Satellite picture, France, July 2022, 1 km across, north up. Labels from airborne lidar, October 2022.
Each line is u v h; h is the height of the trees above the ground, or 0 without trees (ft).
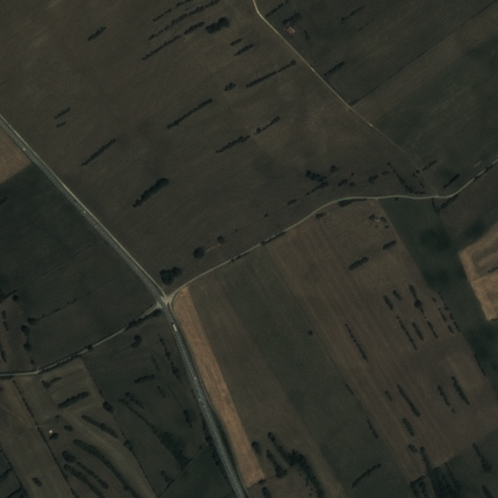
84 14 0
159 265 0
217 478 0
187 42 0
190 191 0
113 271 0
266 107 0
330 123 0
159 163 0
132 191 0
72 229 0
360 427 0
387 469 0
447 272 0
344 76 0
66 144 0
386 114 0
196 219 0
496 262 0
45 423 0
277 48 0
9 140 0
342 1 0
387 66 0
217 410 0
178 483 0
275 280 0
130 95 0
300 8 0
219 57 0
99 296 0
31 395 0
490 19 0
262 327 0
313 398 0
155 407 0
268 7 0
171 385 0
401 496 0
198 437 0
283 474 24
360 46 0
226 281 0
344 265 0
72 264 0
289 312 0
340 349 0
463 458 0
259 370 0
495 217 0
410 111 0
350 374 0
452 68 0
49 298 0
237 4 0
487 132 0
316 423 0
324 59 0
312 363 0
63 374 0
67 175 0
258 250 0
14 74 0
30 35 0
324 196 0
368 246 0
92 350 31
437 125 0
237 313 0
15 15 0
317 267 0
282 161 0
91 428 0
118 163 0
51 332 0
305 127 0
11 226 0
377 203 0
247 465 0
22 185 0
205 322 0
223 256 0
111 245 0
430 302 0
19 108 0
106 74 0
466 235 0
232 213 0
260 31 0
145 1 0
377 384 0
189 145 0
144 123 0
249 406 0
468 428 0
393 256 0
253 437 0
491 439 0
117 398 0
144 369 0
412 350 0
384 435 0
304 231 0
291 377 0
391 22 0
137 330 0
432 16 0
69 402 26
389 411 0
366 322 0
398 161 0
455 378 18
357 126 0
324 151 0
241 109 0
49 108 0
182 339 0
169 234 0
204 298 0
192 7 0
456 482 25
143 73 0
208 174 0
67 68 0
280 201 0
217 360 0
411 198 0
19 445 0
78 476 21
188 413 37
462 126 0
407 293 0
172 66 0
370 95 0
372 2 0
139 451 0
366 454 0
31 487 0
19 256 0
